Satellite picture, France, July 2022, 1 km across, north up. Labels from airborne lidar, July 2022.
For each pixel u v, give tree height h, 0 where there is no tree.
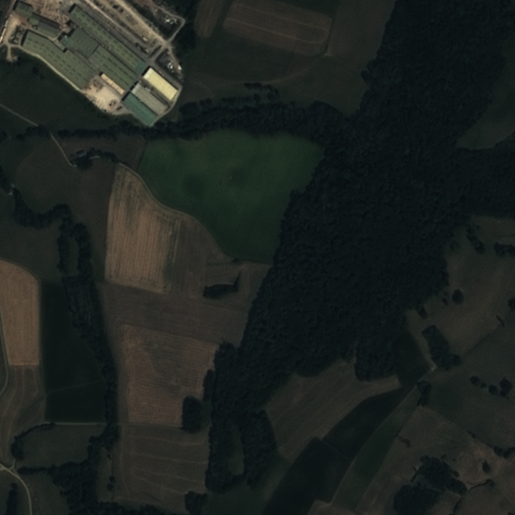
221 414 25
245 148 0
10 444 0
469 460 0
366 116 25
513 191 15
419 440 0
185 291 0
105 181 0
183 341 0
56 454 0
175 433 0
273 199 0
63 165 0
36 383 0
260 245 0
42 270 0
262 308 17
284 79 0
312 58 0
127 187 0
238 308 0
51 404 0
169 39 0
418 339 0
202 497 15
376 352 24
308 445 0
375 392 0
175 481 0
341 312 25
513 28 13
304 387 0
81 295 30
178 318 0
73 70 0
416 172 24
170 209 0
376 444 0
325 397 0
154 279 0
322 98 0
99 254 0
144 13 7
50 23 0
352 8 0
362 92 0
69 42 0
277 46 0
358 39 0
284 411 0
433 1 24
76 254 0
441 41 17
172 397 0
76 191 0
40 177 0
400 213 25
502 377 0
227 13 0
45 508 0
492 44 20
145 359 0
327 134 32
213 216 0
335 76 0
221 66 0
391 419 0
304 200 27
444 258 14
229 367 22
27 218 17
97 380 0
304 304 23
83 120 0
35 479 0
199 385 0
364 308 22
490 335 0
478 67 22
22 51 0
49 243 0
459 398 0
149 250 0
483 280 0
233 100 11
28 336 0
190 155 0
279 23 0
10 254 0
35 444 0
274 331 19
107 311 0
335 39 0
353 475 0
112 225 0
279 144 0
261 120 26
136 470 0
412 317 0
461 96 24
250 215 0
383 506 0
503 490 0
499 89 0
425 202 16
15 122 0
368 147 29
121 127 16
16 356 0
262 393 25
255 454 19
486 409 0
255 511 0
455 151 13
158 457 0
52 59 0
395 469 0
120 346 0
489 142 0
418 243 23
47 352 0
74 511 9
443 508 0
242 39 0
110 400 19
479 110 11
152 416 0
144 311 0
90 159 15
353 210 27
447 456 5
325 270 29
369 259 25
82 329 12
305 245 28
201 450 0
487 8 25
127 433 0
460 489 14
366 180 28
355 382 0
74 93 0
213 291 9
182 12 10
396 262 26
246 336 14
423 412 0
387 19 0
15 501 16
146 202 0
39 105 0
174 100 0
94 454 19
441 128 19
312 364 15
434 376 0
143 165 0
